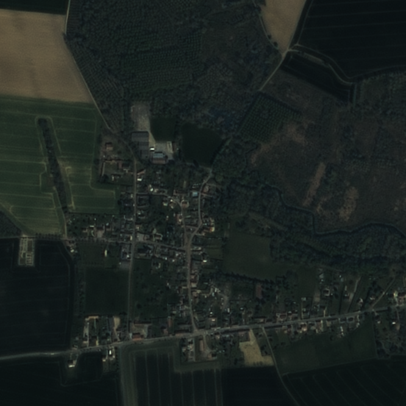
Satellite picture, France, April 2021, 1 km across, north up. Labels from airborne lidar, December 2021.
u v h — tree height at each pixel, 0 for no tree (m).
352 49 0
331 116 8
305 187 7
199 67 20
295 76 0
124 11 28
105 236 0
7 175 0
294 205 6
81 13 8
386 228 23
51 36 0
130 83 33
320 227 6
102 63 24
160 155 0
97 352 0
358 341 0
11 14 0
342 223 7
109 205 0
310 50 0
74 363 0
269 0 0
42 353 0
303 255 19
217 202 11
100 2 25
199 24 9
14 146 0
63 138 0
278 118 24
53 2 0
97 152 0
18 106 0
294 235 26
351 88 0
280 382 0
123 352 0
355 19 0
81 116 0
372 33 0
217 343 0
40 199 0
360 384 0
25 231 0
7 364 0
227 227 0
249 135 24
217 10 10
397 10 0
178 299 0
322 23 0
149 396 0
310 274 0
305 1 0
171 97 0
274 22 0
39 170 0
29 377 0
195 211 0
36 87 0
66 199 10
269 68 5
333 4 0
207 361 0
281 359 0
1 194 0
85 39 22
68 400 0
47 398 0
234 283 20
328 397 0
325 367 0
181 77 25
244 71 18
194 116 32
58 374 0
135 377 0
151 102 0
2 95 0
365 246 26
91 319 0
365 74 0
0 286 0
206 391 0
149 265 0
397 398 0
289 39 0
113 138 23
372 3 0
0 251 0
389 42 0
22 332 0
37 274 0
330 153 7
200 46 18
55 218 0
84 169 0
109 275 0
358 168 26
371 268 19
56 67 0
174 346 0
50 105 0
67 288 0
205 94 24
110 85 36
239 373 0
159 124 0
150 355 0
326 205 8
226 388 0
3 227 18
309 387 0
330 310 0
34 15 0
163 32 21
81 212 0
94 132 0
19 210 0
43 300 0
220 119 13
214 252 0
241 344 0
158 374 0
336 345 0
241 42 8
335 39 0
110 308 0
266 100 23
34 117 0
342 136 6
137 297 0
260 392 0
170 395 0
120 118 30
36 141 0
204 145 0
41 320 0
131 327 0
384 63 0
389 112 20
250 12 26
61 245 0
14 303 0
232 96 10
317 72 0
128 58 30
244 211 30
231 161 32
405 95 7
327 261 16
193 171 18
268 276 0
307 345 0
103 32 29
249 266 0
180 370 0
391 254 29
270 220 30
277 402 0
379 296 10
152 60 28
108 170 0
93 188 0
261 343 0
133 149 14
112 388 0
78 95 0
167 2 25
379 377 0
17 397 0
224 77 27
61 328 0
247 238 0
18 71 0
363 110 25
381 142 17
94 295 0
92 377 0
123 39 29
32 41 0
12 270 0
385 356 12
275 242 22
